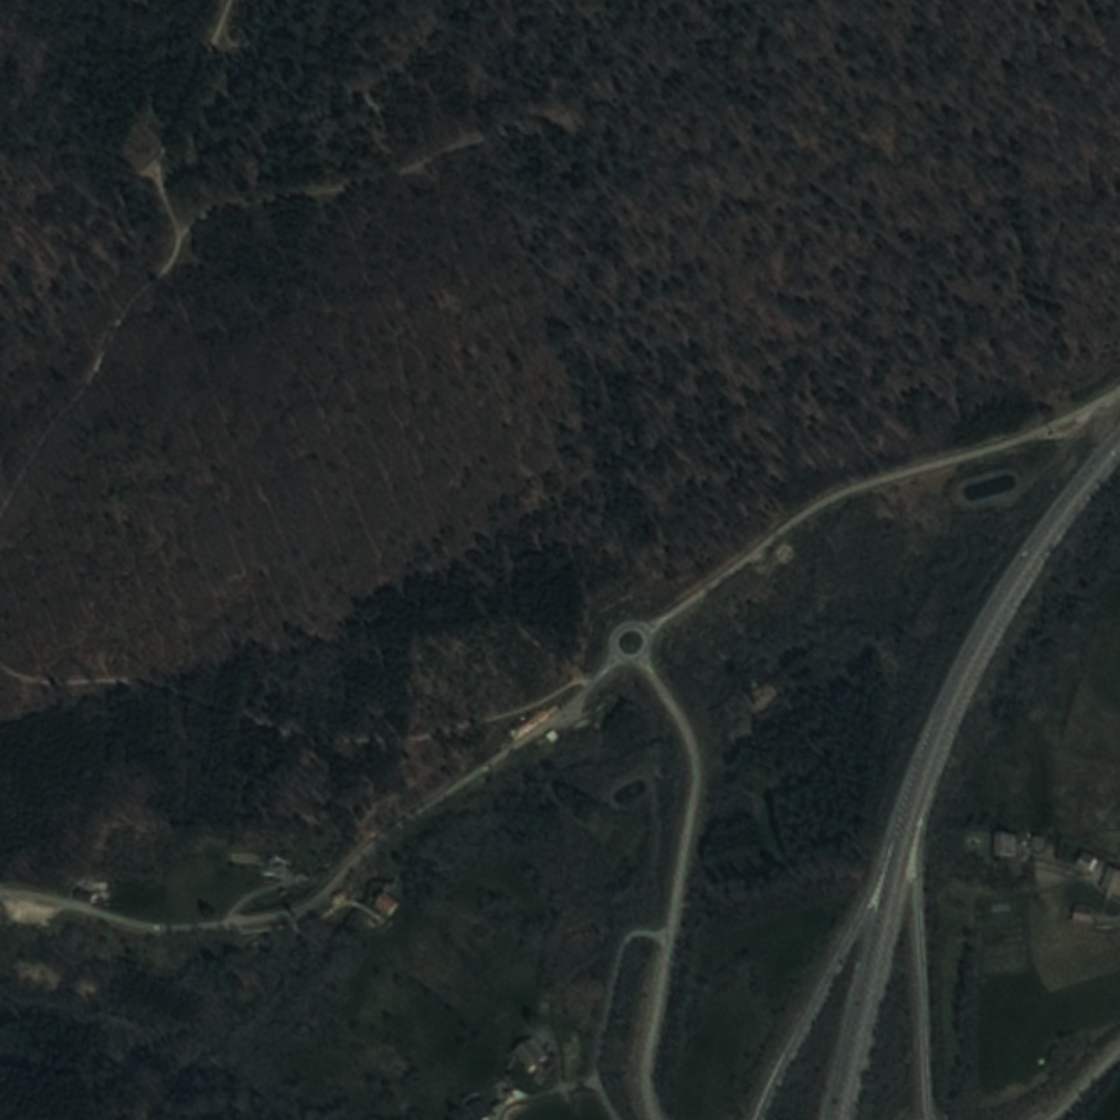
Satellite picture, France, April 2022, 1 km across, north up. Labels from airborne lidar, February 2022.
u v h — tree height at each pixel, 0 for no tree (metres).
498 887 0
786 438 25
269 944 14
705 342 27
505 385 24
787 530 0
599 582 13
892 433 28
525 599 20
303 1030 9
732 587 16
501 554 12
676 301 28
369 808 26
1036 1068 0
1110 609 0
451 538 8
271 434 9
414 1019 0
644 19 28
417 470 12
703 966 0
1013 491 0
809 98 25
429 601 12
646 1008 0
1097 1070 0
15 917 0
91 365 9
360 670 25
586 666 0
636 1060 0
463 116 9
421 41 26
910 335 28
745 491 12
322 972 19
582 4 36
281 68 17
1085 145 28
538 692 7
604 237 24
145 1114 16
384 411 10
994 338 27
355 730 24
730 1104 0
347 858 15
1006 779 0
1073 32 12
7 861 13
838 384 26
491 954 0
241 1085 15
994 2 27
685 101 36
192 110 31
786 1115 9
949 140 16
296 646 9
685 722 0
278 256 13
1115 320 26
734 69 28
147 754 20
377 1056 0
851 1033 0
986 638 0
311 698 25
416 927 0
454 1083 0
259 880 0
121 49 18
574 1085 0
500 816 16
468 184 11
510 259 10
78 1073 17
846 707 26
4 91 22
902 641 15
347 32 24
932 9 27
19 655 11
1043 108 27
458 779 17
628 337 25
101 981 17
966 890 0
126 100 27
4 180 26
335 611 13
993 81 25
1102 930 0
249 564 12
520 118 26
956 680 0
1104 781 0
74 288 26
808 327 25
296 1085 7
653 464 26
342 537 12
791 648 22
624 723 23
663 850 0
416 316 8
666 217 28
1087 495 0
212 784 27
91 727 14
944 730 0
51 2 22
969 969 13
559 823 21
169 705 16
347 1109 9
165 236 21
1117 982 0
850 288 11
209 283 8
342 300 9
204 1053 15
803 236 23
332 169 7
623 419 17
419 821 18
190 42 23
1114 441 0
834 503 0
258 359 11
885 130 24
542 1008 0
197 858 0
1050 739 0
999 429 21
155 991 16
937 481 0
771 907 8
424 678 9
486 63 25
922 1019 0
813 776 21
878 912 0
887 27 25
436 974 0
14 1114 24
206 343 12
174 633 6
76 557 6
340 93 9
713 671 12
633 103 32
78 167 18
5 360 24
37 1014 18
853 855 28
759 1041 0
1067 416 0
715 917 13
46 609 8
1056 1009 0
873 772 22
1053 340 29
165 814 12
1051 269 27
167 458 6
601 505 23
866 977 0
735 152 18
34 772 17
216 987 25
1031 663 21
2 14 24
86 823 14
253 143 19
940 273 32
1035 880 6
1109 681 0
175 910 0
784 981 0
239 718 21
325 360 9
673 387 23
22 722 7
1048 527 0
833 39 28
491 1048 0
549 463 20
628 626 0
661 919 0
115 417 6
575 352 27
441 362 11
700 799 0
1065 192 7
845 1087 0
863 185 26
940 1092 9
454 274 8
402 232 11
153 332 9
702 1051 0
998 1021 0
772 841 0
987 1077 0
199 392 11
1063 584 17
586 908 8
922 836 0
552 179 25
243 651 17
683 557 26
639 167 26
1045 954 0
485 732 11
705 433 20
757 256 23
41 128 25
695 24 28
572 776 11
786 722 11
